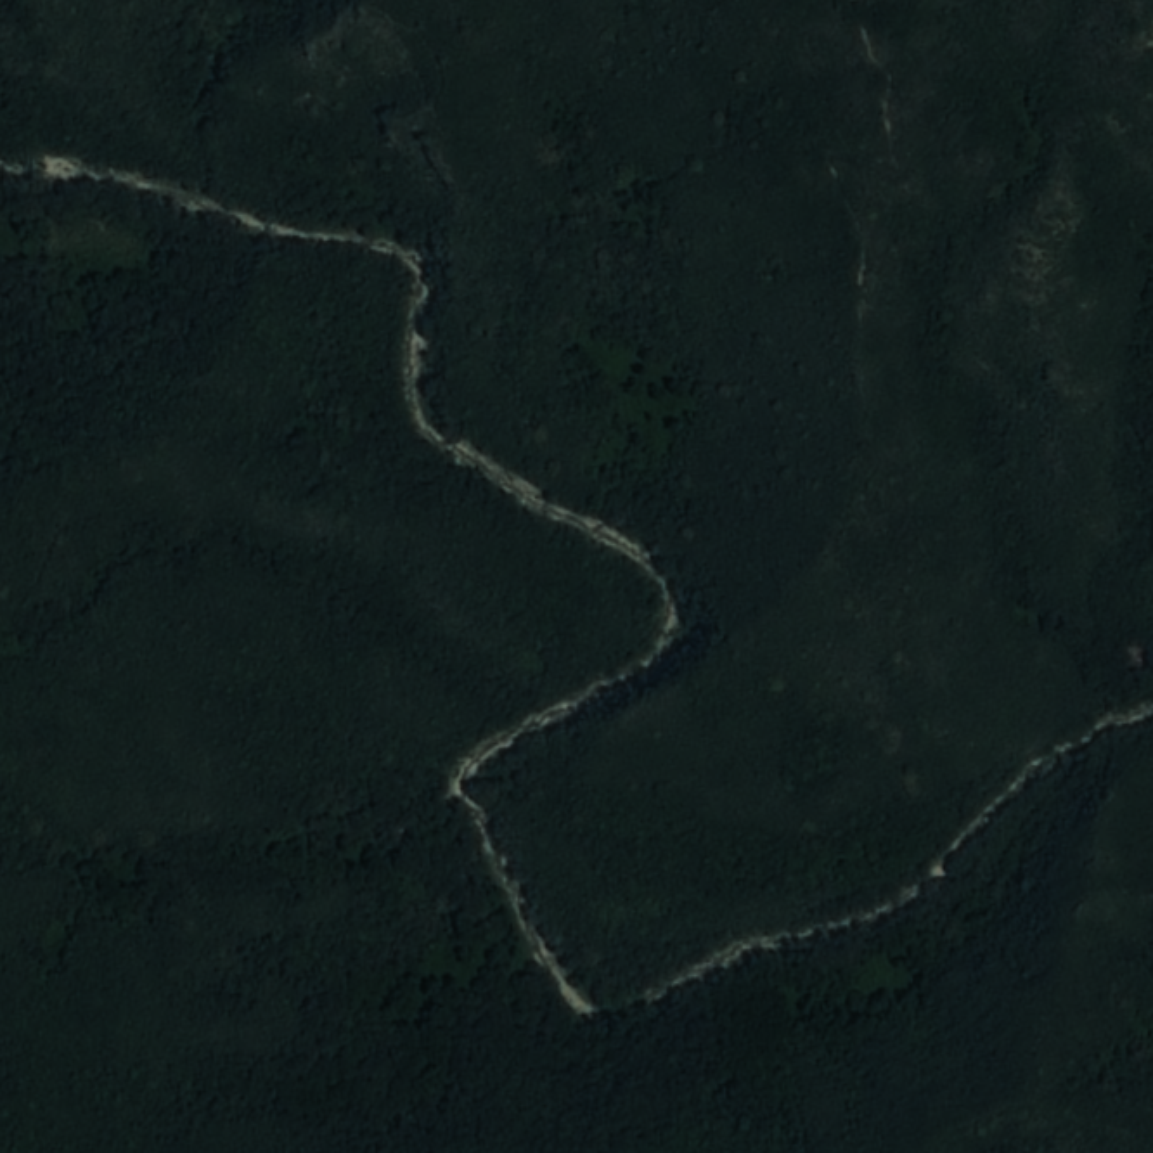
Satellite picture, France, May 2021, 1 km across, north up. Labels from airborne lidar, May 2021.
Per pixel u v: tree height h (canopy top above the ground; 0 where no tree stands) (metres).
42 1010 7
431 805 22
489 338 11
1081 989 8
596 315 8
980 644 7
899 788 9
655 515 7
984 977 8
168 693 5
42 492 5
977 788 11
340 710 9
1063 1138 11
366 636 12
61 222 7
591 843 10
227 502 8
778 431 9
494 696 15
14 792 11
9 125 16
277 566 17
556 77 6
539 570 9
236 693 12
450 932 13
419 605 9
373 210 10
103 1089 15
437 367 11
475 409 11
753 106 6
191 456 7
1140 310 9
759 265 7
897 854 11
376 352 12
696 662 20
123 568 14
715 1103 15
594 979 12
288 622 10
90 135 13
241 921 10
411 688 9
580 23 5
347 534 7
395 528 7
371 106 9
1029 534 7
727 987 20
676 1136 13
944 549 7
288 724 12
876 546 5
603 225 7
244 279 12
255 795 8
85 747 7
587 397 14
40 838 9
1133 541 16
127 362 15
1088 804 8
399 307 14
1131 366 7
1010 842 9
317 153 11
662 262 9
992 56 6
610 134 7
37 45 10
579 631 13
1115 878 8
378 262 12
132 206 19
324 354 11
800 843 9
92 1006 8
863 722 7
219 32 13
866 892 16
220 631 9
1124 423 12
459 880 22
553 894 8
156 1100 10
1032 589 13
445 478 23
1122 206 6
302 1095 25
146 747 8
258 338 10
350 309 13
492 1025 22
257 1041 9
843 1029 16
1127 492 13
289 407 10
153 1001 8
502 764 11
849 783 11
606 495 10
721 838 9
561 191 16
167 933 9
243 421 12
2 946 7
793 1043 9
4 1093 11
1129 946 9
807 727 9
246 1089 16
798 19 6
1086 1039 8
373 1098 18
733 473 9
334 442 18
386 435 16
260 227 0
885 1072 7
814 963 15
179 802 8
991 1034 8
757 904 8
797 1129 12
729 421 10
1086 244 6
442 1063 21
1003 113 6
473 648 9
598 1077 24
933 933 9
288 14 9
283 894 16
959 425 6
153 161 16
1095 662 21
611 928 9
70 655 11
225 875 18
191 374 11
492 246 7
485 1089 14
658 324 15
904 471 6
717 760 7
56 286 13
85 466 10
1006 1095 7
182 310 18
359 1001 25
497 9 5
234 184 10
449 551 12
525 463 12
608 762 7
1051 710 7
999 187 13
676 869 11
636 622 11
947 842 13
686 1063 15
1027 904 8
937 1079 7
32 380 18
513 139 8
